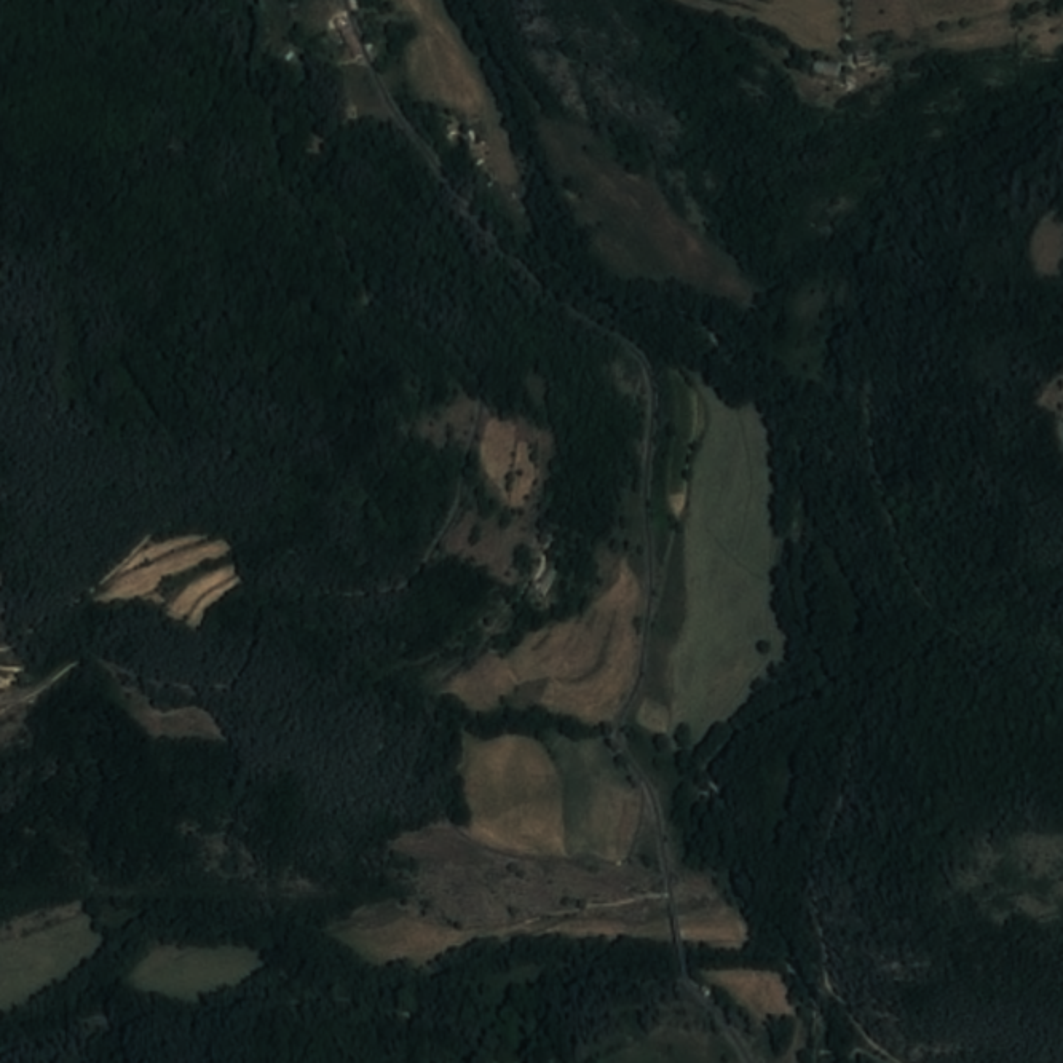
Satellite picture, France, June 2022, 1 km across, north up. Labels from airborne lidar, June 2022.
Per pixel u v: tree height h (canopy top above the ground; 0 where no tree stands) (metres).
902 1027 6
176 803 17
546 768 0
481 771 0
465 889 0
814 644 22
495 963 19
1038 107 16
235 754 9
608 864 0
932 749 15
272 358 16
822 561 18
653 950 22
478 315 19
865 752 8
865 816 11
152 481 16
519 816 0
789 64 14
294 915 10
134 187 24
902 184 25
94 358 21
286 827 18
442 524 11
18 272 23
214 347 21
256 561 20
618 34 6
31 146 17
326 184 15
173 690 18
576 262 22
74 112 21
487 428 0
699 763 17
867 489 7
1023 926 8
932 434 13
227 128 20
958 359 9
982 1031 14
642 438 10
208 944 17
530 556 11
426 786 21
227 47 13
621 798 0
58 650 18
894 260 21
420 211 21
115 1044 26
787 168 13
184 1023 29
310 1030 22
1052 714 12
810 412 20
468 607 16
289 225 19
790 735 23
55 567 14
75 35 15
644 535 0
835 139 12
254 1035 22
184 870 11
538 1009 15
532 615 10
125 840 17
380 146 18
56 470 16
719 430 0
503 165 0
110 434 17
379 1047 14
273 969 20
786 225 15
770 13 0
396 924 0
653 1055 0
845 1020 7
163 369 20
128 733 18
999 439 10
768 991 0
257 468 22
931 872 10
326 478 18
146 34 18
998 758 11
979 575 10
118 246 16
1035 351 7
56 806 20
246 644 18
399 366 17
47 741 14
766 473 0
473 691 0
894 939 6
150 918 21
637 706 0
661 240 0
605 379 9
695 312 20
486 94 0
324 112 23
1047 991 17
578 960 21
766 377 27
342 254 9
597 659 0
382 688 17
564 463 12
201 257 24
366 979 20
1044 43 0
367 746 15
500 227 19
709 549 0
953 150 12
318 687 30
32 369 8
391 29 12
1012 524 14
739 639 0
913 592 12
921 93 7
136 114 22
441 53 0
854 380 14
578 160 0
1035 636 7
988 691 16
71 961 0
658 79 6
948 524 8
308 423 20
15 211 19
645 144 8
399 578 12
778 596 14
